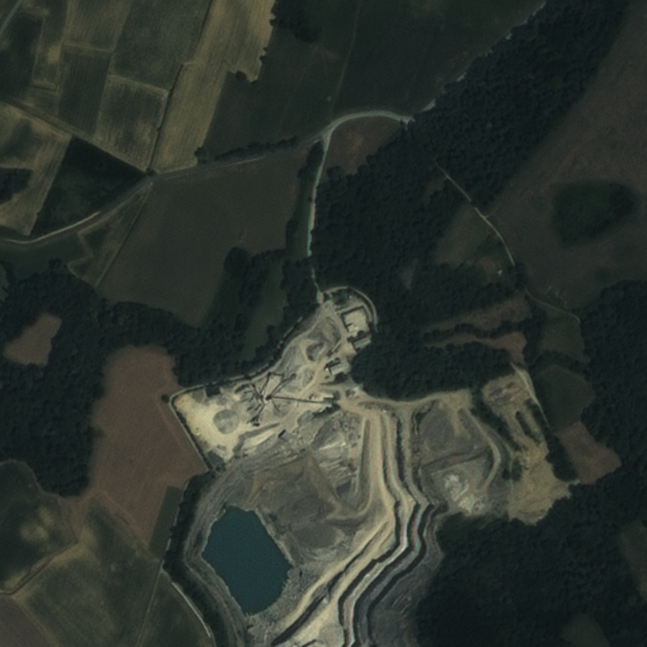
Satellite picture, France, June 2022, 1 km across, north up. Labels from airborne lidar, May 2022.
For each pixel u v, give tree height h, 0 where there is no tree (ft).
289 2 73
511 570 68
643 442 51
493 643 69
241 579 0
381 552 0
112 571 0
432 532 0
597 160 0
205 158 36
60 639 0
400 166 44
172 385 0
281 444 0
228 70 0
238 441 0
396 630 0
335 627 0
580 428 0
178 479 0
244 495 0
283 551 0
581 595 92
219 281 0
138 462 0
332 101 0
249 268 55
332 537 0
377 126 0
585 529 98
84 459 65
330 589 0
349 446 0
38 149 0
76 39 0
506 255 0
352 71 0
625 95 0
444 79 0
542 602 89
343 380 43
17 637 0
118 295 0
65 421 76
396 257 31
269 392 0
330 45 0
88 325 75
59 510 0
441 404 0
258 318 0
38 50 0
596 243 0
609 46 75
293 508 0
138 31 0
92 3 0
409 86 0
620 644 78
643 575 0
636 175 0
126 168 33
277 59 0
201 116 0
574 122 0
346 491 0
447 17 0
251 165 0
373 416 0
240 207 0
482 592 76
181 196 0
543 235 0
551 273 0
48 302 64
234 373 38
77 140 22
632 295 72
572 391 0
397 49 0
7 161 0
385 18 0
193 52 0
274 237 0
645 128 0
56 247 0
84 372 62
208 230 0
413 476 0
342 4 0
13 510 0
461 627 69
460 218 0
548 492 0
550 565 83
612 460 0
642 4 0
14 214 0
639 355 51
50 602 0
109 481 0
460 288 29
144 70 0
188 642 0
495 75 57
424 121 48
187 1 0
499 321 0
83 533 0
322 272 44
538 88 83
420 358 67
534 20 56
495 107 62
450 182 33
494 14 0
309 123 0
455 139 71
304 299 72
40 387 76
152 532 0
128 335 69
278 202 0
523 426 29
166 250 0
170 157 0
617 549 48
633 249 0
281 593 0
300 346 0
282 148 47
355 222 39
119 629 0
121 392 0
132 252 0
